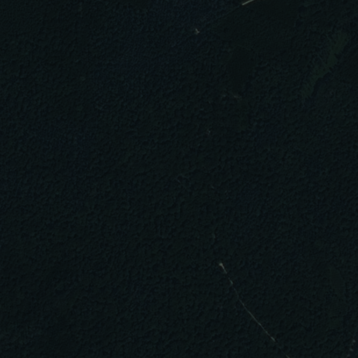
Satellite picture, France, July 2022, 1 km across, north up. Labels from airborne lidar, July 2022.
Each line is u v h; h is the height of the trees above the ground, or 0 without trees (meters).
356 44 13
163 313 22
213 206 24
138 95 17
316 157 12
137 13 23
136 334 16
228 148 22
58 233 24
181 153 26
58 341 23
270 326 21
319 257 20
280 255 30
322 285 18
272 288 26
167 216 27
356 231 21
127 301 21
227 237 20
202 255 23
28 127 15
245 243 25
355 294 21
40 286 23
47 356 23
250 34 14
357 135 21
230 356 22
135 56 26
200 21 26
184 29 24
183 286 26
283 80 21
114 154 21
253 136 18
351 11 29
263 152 26
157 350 21
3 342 22
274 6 7
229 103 18
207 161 27
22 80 23
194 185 27
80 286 21
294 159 22
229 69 8
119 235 21
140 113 25
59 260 21
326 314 19
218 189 26
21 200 19
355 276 17
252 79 23
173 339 24
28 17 17
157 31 22
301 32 18
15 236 22
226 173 29
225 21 16
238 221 24
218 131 24
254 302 24
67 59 21
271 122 30
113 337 21
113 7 20
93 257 23
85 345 24
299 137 19
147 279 21
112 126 17
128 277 9
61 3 19
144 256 17
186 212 26
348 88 17
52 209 21
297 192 23
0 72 24
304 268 17
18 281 24
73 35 25
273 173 26
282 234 15
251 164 26
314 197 24
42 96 20
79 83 22
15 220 23
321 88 19
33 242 26
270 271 22
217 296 25
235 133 21
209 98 21
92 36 21
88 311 33
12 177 15
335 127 17
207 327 27
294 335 21
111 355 20
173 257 22
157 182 25
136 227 23
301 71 28
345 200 30
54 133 23
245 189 27
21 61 18
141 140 19
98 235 22
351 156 19
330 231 14
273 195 23
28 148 24
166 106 26
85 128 26
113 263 19
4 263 20
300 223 20
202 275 25
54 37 22
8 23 17
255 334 20
